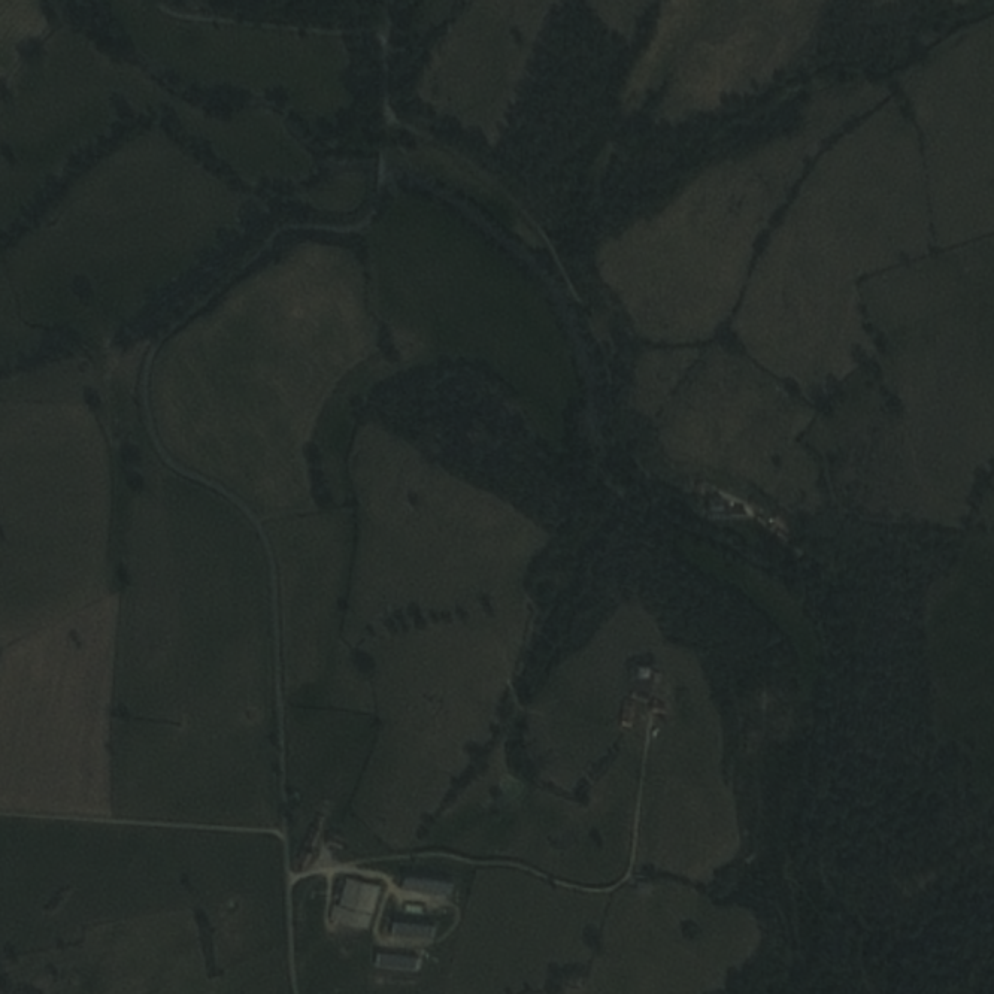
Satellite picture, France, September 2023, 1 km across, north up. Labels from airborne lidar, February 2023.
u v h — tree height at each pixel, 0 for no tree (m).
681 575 19
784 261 0
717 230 0
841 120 0
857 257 0
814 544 10
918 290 0
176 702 0
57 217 0
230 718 0
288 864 0
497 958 0
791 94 0
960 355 0
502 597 0
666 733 0
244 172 0
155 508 0
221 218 0
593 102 14
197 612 0
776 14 0
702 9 0
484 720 0
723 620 10
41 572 0
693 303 0
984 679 0
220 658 0
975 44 0
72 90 0
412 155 0
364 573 0
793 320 0
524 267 10
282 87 0
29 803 0
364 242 6
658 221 0
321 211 0
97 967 0
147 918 0
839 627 20
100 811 0
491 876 0
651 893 0
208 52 0
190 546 0
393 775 0
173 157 0
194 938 0
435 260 0
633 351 16
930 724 11
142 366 0
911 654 16
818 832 26
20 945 0
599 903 0
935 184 0
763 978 15
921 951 15
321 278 0
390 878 0
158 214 0
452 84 0
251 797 0
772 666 19
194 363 0
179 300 15
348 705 0
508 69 0
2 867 0
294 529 0
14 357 0
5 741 0
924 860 15
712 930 0
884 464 0
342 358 0
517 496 13
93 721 0
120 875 0
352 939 0
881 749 11
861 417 0
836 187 0
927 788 11
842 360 0
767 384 0
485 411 25
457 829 0
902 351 0
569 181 6
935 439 0
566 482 18
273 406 0
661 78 0
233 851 0
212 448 0
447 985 0
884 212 0
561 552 22
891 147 0
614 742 0
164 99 0
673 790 0
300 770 0
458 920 0
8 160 17
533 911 0
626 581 9
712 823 0
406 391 18
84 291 18
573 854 0
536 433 19
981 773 0
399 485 0
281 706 0
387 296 0
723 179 0
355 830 0
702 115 7
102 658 0
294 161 0
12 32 0
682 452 0
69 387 0
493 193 0
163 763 0
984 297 0
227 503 0
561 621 12
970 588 0
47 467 0
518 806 0
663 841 0
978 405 0
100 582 0
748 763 0
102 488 0
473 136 14
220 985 0
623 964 0
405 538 0
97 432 0
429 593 0
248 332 0
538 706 0
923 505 0
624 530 13
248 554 0
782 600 0
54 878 0
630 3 0
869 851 17
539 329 0
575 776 0
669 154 15
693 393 0
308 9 16
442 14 0
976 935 18
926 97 0
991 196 0
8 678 0
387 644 0
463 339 0
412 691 0
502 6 0
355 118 12
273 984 0
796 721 0
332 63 0
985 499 10
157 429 0
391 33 29
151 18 0
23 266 0
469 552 0
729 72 0
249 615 0
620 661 0
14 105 0
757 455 0
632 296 0
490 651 0
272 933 0
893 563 14
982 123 0
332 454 0
